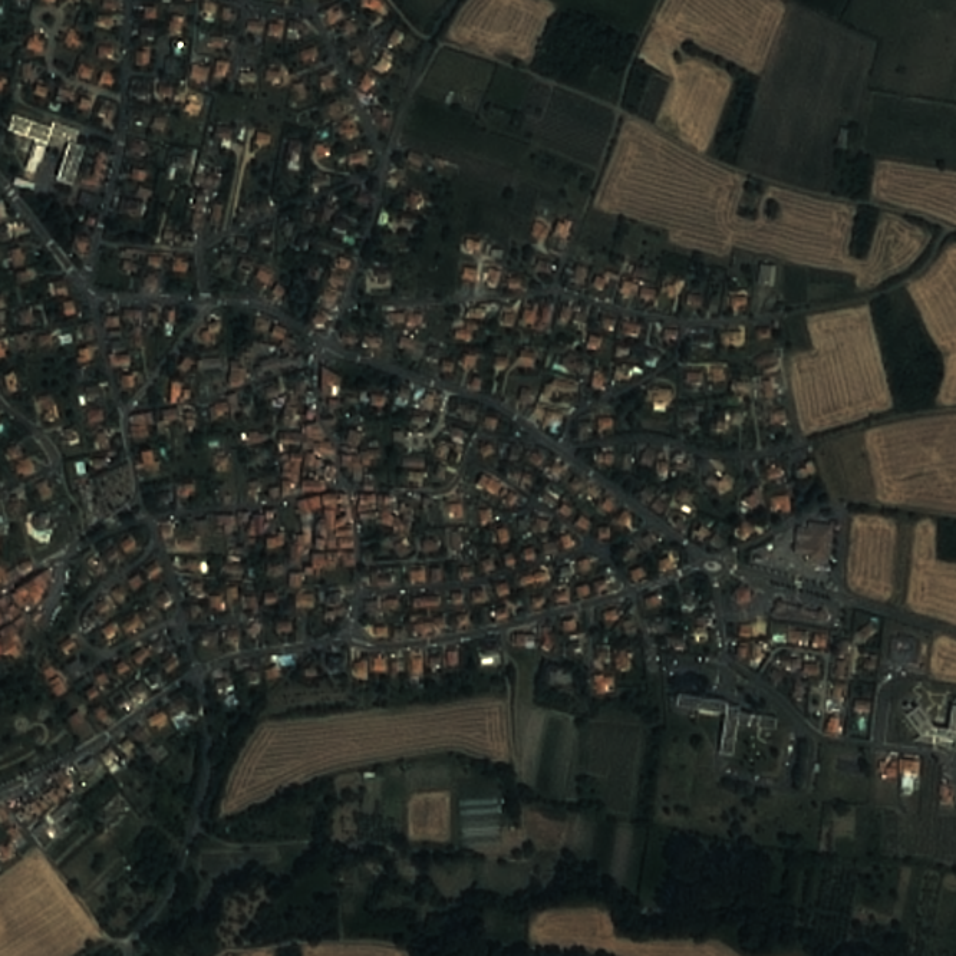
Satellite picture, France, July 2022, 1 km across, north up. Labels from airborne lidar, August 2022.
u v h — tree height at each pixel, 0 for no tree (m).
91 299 0
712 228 0
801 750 12
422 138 0
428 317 0
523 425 0
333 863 8
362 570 12
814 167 0
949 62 0
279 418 8
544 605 6
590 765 0
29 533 0
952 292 0
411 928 11
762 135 0
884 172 0
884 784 0
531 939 0
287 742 0
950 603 0
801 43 0
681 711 0
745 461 0
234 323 8
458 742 0
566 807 6
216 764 14
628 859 0
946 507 0
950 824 0
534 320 0
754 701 21
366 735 0
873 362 0
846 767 0
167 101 9
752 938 21
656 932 18
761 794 9
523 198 0
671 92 0
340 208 10
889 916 0
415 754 0
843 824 0
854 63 0
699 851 32
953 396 0
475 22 0
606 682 0
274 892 18
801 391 0
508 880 0
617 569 11
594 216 0
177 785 6
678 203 0
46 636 7
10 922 0
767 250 0
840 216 0
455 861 11
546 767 0
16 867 0
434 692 6
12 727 0
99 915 6
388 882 14
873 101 0
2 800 0
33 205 13
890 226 0
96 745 0
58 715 7
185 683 8
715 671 0
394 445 9
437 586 0
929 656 0
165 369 11
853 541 0
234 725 14
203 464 0
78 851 0
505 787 12
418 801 0
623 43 10
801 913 8
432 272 0
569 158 0
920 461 0
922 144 0
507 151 0
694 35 0
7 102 12
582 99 0
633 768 0
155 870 17
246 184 0
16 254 0
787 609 0
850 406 0
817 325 0
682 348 11
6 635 0
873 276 0
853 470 0
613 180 0
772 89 0
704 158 0
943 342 0
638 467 6
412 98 0
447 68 0
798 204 0
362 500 0
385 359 0
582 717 6
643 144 0
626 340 9
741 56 0
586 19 9
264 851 0
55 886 0
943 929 0
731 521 13
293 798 15
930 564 0
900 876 0
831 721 0
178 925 16
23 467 0
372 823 6
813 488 13
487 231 0
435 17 8
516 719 0
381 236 8
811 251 0
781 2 0
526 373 8
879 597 0
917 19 0
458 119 0
